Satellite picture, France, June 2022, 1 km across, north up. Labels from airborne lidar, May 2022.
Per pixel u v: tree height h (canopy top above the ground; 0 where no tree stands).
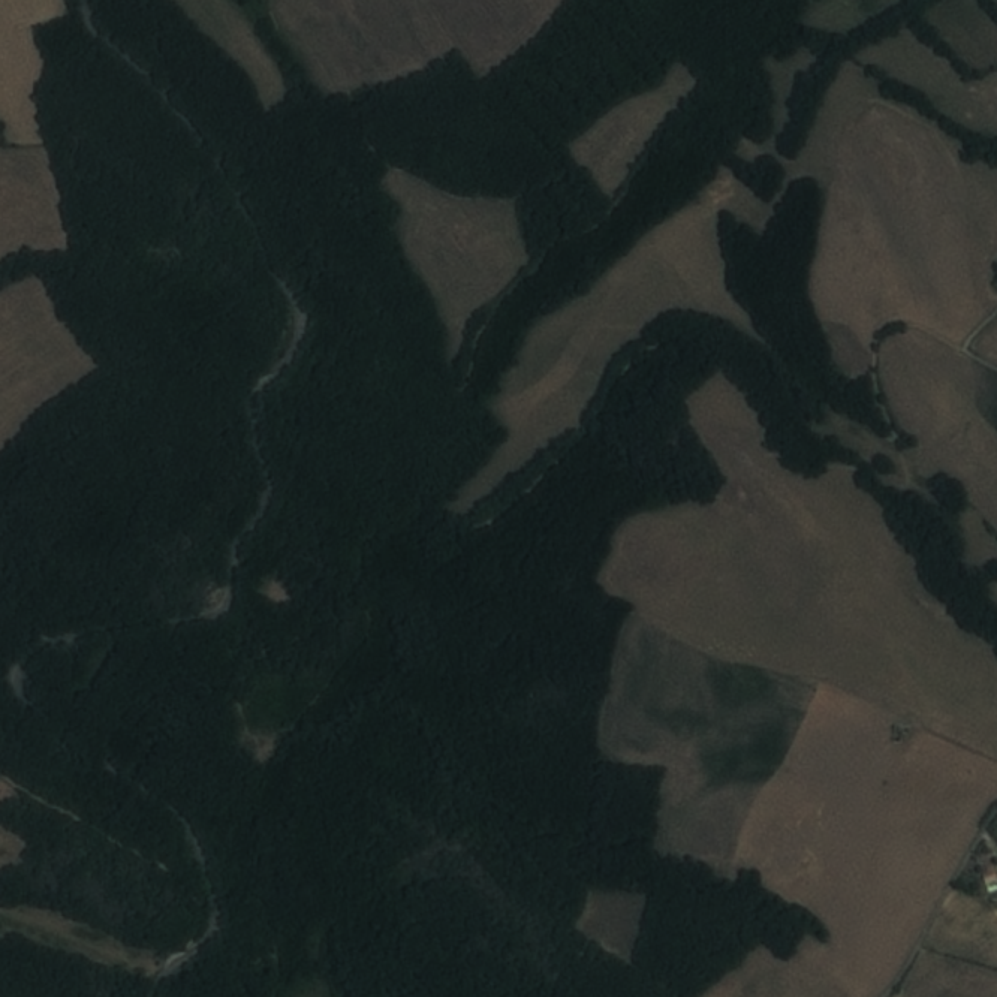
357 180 20
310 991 0
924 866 0
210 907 16
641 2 14
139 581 14
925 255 0
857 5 0
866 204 0
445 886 13
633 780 14
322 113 20
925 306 0
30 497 14
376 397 18
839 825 0
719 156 28
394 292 18
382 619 9
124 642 21
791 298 12
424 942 21
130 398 14
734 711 0
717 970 19
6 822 10
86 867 14
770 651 0
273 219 19
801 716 0
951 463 0
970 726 0
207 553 17
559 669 15
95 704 28
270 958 20
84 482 16
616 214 13
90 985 10
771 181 22
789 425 23
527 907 7
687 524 0
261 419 20
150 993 19
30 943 19
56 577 9
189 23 14
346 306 19
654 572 0
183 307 13
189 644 25
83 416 12
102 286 14
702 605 0
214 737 26
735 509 0
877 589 0
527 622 9
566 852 25
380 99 14
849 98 0
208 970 16
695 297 0
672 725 0
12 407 0
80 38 11
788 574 0
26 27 0
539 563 12
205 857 13
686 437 13
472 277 0
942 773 0
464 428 23
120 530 7
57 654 22
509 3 0
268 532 13
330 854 13
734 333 20
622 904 0
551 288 12
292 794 15
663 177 8
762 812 0
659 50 20
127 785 22
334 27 0
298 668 21
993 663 0
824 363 12
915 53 0
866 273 0
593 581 6
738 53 18
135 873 9
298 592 18
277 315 7
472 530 13
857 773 0
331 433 23
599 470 10
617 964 13
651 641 0
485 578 11
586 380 0
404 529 22
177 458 15
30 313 0
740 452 0
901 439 11
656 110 0
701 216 0
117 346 13
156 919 11
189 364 17
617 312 0
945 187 0
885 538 0
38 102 11
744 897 22
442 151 13
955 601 19
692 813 0
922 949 0
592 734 8
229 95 15
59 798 11
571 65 6
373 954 22
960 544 22
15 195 0
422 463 25
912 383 0
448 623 17
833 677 0
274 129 19
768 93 18
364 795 10
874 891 0
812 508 0
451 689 9
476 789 28
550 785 10
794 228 14
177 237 11
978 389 0
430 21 0
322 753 15
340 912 13
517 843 19
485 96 14
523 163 17
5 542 17
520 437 0
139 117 12
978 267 0
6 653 25
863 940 0
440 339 21
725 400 0
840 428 0
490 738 11
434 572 9
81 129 10
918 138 0
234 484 10
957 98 0
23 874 14
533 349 0
